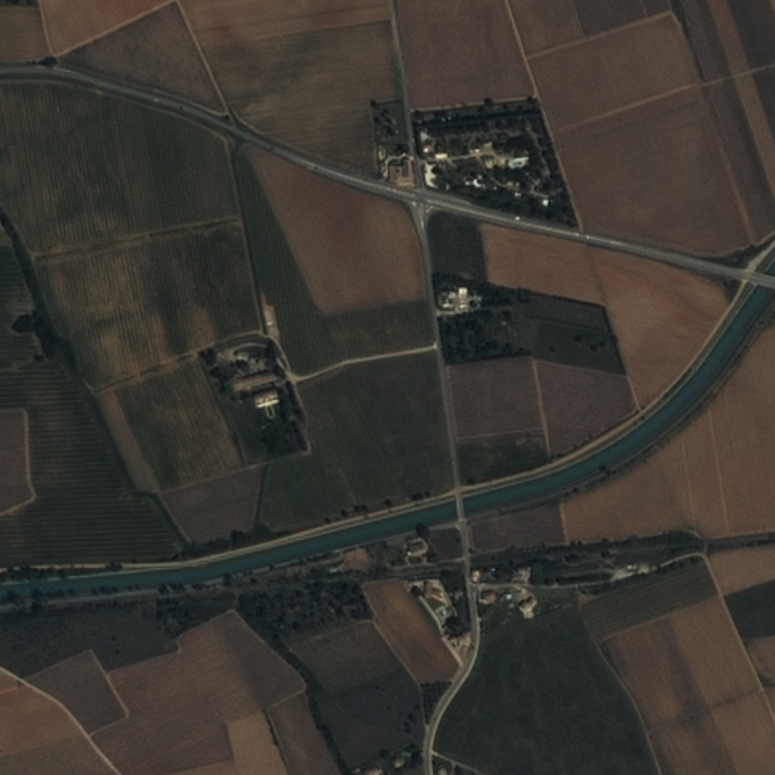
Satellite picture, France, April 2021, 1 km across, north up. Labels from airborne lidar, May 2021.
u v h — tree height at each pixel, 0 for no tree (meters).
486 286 6
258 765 0
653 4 0
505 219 0
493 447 0
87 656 0
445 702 0
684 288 0
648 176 0
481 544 0
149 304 0
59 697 0
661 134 0
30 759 0
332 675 0
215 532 0
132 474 0
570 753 0
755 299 0
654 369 0
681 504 0
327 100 0
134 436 0
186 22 0
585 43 0
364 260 0
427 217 0
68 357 0
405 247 0
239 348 0
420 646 0
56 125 0
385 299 0
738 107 0
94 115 0
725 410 0
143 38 0
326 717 0
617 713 0
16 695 0
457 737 0
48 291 0
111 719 0
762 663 0
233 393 12
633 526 0
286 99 0
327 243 0
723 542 0
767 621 0
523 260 0
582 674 0
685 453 0
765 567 0
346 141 0
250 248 0
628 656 0
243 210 0
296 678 0
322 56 0
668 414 0
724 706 0
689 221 0
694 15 0
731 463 0
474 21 0
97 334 0
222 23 0
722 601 0
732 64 0
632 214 0
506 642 0
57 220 0
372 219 0
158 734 0
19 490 0
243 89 0
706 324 0
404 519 0
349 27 0
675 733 0
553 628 0
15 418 0
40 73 0
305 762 0
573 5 0
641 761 0
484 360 7
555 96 0
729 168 0
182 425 0
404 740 0
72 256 0
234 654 0
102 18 0
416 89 0
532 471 0
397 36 0
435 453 0
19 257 8
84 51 0
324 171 0
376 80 0
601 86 0
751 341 0
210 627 0
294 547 0
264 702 0
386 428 0
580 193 0
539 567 11
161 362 0
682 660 0
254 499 0
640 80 0
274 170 0
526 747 0
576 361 0
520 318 0
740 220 0
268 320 0
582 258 0
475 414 0
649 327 0
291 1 0
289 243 0
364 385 0
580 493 7
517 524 0
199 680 0
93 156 0
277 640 8
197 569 0
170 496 0
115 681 0
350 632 0
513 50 0
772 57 0
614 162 0
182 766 0
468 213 0
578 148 0
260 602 9
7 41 0
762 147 0
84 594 0
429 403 0
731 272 0
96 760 0
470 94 0
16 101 0
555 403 0
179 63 0
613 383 0
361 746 0
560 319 0
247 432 0
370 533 0
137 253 0
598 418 0
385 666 0
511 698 0
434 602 0
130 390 0
